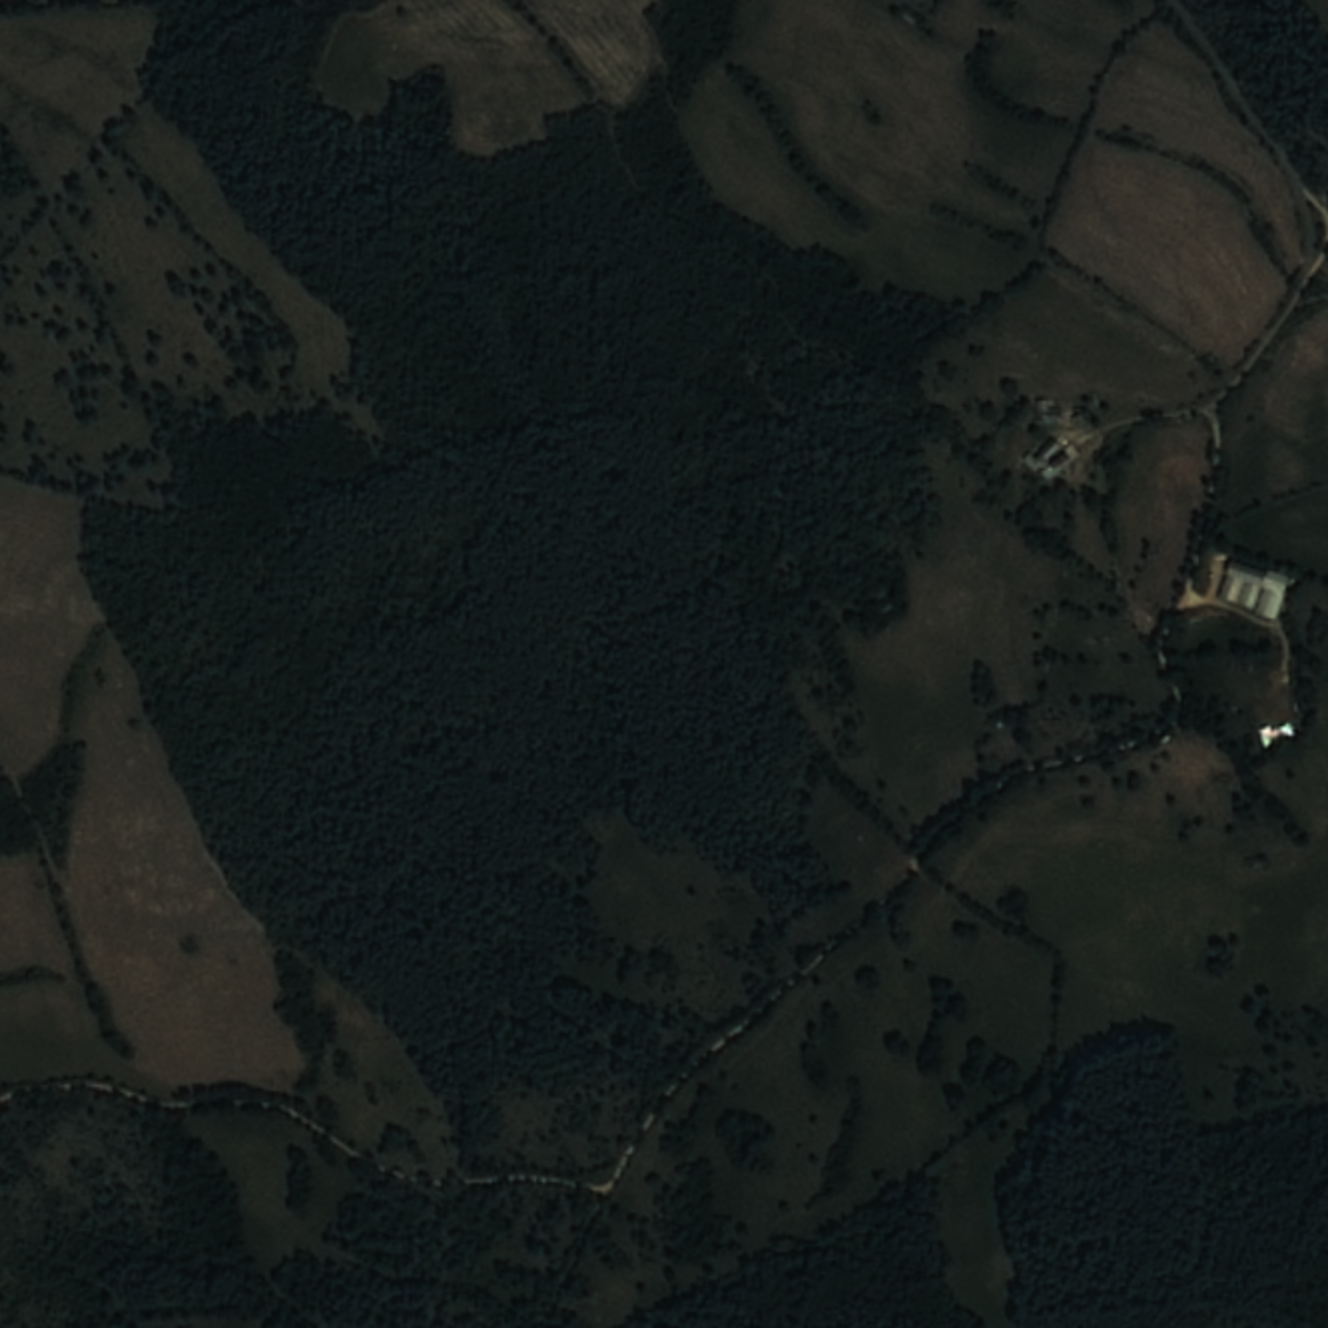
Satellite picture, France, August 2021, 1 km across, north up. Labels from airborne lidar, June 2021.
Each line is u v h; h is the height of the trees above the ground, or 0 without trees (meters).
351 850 15
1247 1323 8
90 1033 0
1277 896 0
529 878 19
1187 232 0
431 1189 12
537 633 21
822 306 9
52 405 0
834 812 0
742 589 14
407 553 11
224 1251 17
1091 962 0
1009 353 0
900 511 8
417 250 10
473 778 22
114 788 0
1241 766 8
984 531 0
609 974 0
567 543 20
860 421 12
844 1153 9
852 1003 0
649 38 0
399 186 15
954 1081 0
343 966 19
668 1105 10
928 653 0
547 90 0
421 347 8
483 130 0
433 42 0
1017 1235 13
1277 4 16
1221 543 13
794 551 13
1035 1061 0
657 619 18
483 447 18
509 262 14
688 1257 5
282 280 0
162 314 0
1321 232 8
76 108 0
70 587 0
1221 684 0
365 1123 0
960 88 0
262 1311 14
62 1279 14
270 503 10
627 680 24
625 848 0
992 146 0
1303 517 0
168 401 7
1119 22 0
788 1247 6
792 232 0
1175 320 0
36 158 0
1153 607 0
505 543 20
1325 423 0
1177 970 0
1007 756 0
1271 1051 9
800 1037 0
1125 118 0
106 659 0
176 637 6
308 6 6
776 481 14
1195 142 0
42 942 0
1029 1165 16
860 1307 15
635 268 12
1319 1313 11
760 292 9
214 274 11
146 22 0
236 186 15
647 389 14
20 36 0
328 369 0
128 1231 16
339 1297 12
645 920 0
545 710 21
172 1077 0
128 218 0
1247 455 0
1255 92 16
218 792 10
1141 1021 0
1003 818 0
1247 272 0
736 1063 0
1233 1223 11
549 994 14
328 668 15
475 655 20
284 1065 0
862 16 0
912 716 0
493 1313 6
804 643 8
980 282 0
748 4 0
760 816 19
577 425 18
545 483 22
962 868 0
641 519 21
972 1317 10
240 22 13
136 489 0
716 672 11
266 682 14
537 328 11
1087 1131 16
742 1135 6
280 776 15
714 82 0
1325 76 10
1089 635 0
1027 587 0
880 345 9
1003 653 0
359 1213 11
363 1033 0
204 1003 0
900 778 0
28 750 0
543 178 10
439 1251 7
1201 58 6
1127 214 0
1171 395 0
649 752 24
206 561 6
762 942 10
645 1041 17
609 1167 6
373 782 17
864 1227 9
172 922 0
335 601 10
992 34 7
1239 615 0
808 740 17
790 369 7
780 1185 0
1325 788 0
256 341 12
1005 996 0
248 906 8
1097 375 0
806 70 0
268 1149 0
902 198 0
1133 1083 24
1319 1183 8
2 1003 0
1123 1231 13
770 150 0
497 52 0
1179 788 0
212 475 9
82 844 0
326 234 14
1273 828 0
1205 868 0
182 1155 8
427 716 18
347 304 8
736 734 22
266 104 14
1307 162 16
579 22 0
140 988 0
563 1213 13
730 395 10
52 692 0
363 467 7
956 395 0
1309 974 0
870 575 14
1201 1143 10
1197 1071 0
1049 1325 18
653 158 11
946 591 0
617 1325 0
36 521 0
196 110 12
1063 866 0
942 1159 8
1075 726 0
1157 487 0
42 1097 8
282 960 8
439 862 20
